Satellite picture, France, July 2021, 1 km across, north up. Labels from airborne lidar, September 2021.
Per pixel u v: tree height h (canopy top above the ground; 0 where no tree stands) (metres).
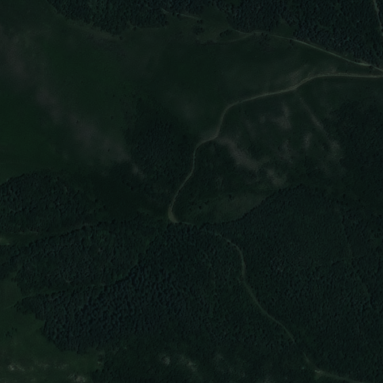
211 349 11
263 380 8
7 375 0
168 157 15
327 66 0
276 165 8
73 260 20
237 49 0
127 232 24
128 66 0
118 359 13
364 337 22
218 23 0
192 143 7
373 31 13
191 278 12
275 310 13
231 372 5
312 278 12
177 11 20
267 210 17
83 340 22
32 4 0
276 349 16
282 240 19
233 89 0
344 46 15
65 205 25
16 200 28
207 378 9
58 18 0
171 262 15
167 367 12
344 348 21
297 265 17
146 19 12
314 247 16
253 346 11
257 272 15
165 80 0
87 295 18
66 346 18
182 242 18
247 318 14
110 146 0
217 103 0
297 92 0
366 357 16
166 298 30
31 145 0
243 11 19
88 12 8
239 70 0
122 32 0
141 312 19
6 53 0
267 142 0
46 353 0
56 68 0
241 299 14
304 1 14
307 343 7
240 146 9
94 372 13
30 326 0
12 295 0
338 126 9
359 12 15
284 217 19
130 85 0
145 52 0
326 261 16
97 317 28
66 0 11
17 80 0
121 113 0
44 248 24
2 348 0
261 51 0
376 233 6
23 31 0
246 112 7
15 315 0
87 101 0
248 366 10
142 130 8
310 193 12
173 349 8
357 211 13
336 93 0
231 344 14
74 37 0
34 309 15
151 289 27
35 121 0
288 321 14
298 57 0
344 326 17
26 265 15
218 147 10
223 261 14
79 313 35
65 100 0
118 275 18
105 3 12
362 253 8
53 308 13
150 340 7
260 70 0
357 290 20
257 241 20
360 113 8
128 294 32
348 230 15
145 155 17
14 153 0
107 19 15
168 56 0
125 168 7
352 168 9
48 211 23
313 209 17
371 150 13
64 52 0
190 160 13
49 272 20
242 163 0
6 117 0
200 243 14
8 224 10
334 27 14
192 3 21
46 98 0
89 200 15
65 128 0
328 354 14
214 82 0
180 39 0
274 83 0
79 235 19
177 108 0
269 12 19
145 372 11
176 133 6
